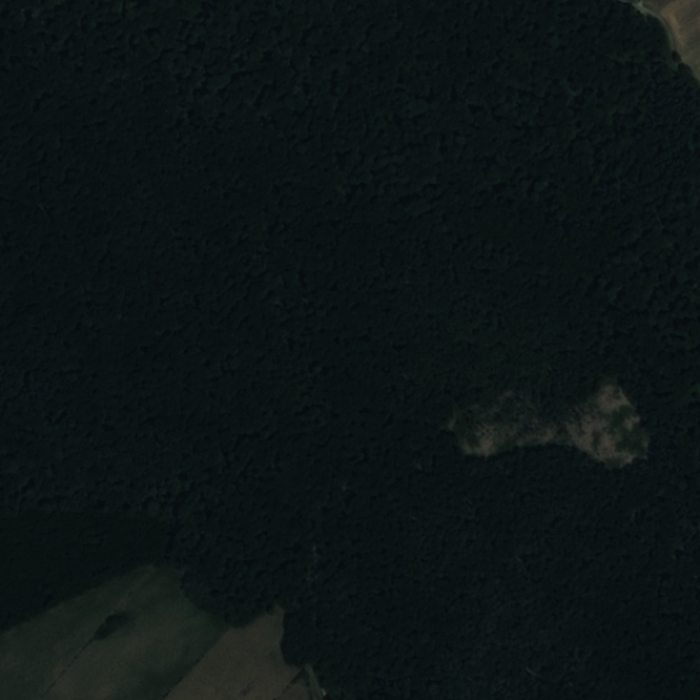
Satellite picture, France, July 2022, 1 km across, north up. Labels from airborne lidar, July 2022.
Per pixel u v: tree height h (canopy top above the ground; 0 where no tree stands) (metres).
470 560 27
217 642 0
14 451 29
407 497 27
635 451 0
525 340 20
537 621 29
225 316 26
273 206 27
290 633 21
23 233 30
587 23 28
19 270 27
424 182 35
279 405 31
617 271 34
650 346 32
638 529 30
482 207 24
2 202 30
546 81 27
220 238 30
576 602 28
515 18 28
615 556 26
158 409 30
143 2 9
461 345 24
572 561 26
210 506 29
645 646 28
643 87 23
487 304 20
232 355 22
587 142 25
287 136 27
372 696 23
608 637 28
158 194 25
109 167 29
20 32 28
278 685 0
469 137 34
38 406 30
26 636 0
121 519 8
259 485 27
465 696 25
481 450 0
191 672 0
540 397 21
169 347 28
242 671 0
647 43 26
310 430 32
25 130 28
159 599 0
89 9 28
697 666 31
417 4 27
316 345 26
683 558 27
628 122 23
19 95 29
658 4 0
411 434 27
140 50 29
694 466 37
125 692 0
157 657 0
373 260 25
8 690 0
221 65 29
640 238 21
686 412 27
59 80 27
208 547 28
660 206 12
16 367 27
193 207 25
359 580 29
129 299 30
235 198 26
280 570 24
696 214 27
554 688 27
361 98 31
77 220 27
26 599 11
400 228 27
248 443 28
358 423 29
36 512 9
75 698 0
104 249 27
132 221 26
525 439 16
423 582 29
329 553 30
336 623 29
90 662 0
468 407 20
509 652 30
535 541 30
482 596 24
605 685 29
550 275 16
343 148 35
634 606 29
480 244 11
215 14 32
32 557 8
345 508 29
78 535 9
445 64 26
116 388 29
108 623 11
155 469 28
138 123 27
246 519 29
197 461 25
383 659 35
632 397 17
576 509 27
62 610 0
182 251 26
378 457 28
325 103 34
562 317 27
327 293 26
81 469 27
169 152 26
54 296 27
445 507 23
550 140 29
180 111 25
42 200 27
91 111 29
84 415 31
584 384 25
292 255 26
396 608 28
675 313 33
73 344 28
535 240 21
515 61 31
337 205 26
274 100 32
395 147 28
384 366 24
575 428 0
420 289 24
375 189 32
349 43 27
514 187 28
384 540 29
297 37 31
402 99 30
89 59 28
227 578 21
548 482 28
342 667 26
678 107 27
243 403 27
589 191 17
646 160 20
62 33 27
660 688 29
